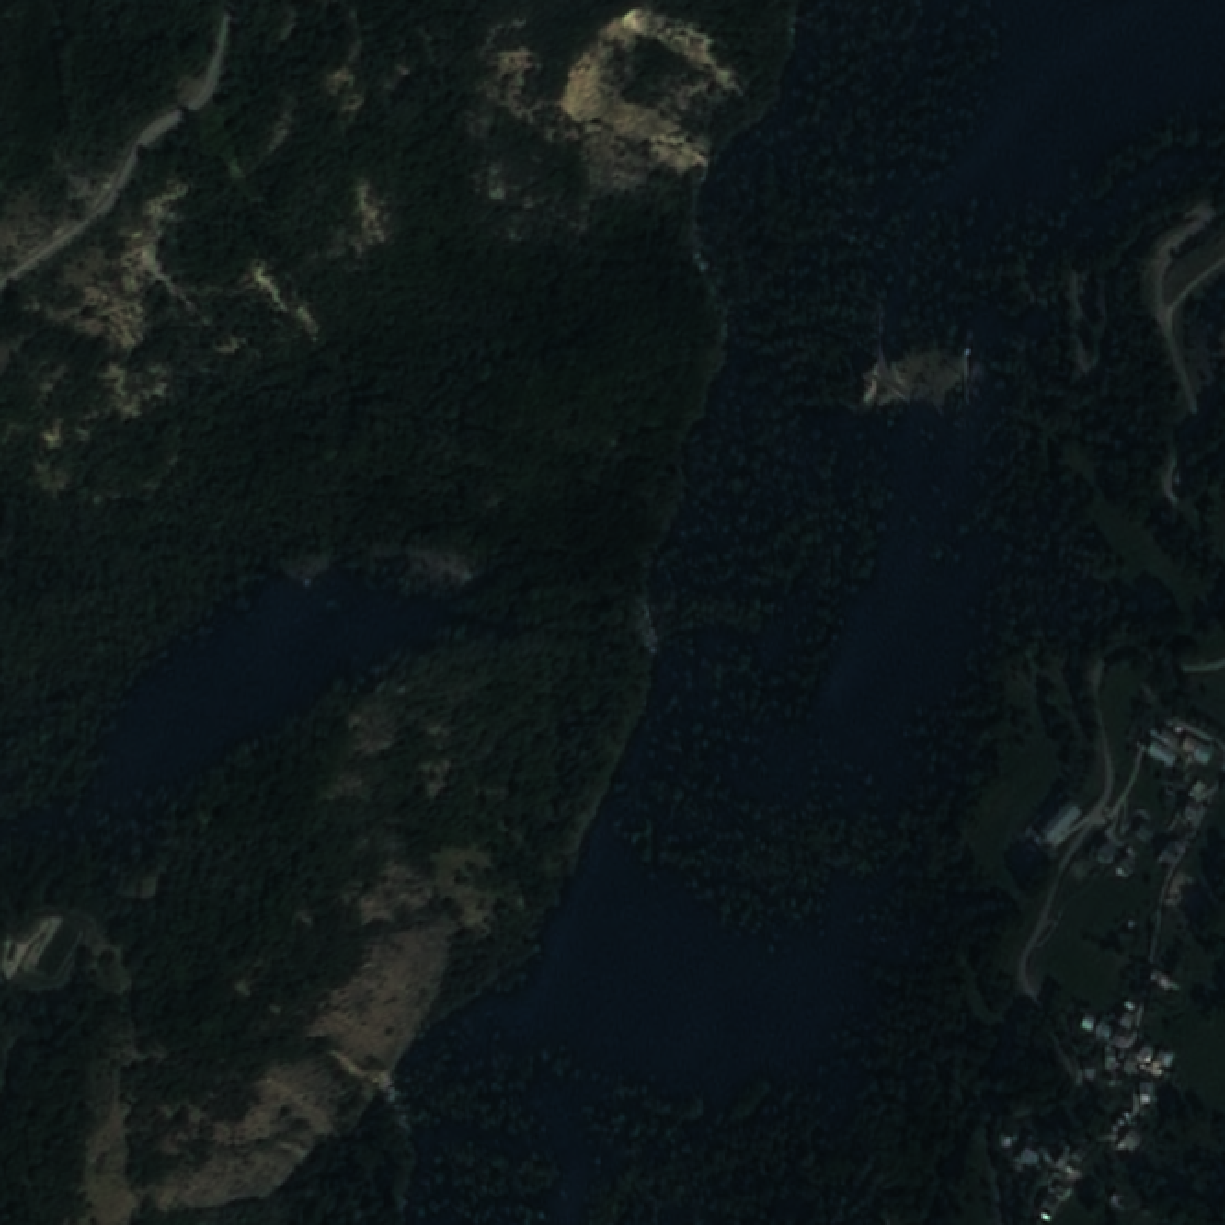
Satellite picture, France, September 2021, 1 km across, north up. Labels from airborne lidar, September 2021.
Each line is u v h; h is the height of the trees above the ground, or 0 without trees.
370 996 6
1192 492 17
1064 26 25
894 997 24
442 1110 19
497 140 8
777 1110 25
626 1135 11
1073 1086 19
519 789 21
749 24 18
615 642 30
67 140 14
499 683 14
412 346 15
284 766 22
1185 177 20
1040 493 23
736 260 23
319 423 23
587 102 0
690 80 9
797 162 20
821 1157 24
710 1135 16
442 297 13
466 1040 17
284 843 21
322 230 17
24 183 13
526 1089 15
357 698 9
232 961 14
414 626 10
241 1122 11
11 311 13
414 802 16
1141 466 18
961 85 20
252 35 17
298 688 11
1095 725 15
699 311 29
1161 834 0
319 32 11
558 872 7
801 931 18
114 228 9
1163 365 18
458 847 11
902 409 10
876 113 21
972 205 15
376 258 12
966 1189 21
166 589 8
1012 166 10
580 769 22
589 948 17
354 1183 31
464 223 10
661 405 21
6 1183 25
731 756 19
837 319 8
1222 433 11
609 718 24
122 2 12
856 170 13
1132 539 0
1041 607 18
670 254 25
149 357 14
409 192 11
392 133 13
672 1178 18
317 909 19
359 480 18
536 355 24
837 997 12
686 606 18
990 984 21
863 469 21
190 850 11
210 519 12
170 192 7
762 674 10
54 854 29
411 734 20
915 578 21
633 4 7
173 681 18
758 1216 27
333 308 14
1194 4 20
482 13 13
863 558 21
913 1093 28
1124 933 6
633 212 9
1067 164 9
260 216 10
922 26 12
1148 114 21
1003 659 17
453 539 15
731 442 19
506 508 16
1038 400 7
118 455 12
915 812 30
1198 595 0
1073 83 18
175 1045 19
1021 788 0
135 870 17
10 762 14
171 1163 16
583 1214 12
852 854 14
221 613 18
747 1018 15
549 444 19
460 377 16
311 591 0
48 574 23
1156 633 24
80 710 21
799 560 21
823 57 25
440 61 11
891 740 21
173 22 18
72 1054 31
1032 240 16
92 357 12
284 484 18
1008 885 0
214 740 15
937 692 21
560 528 24
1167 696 6
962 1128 10
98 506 11
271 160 11
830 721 16
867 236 10
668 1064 12
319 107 13
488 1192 15
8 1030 16
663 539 22
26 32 6
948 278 9
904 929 23
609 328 30
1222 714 0
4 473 8
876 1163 24
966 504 16
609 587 27
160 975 16
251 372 9
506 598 19
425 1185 22
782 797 17
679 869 12
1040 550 25
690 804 16
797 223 18
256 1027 17
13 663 14
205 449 14
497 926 12
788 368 18
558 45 12
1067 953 0
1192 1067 0
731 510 18
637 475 26
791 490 15
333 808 19
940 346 7
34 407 11
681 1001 10
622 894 16
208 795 26
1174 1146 8
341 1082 15
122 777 25
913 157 15
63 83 19
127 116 17
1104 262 22
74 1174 15
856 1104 36
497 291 19
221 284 9
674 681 16
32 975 0
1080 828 0
